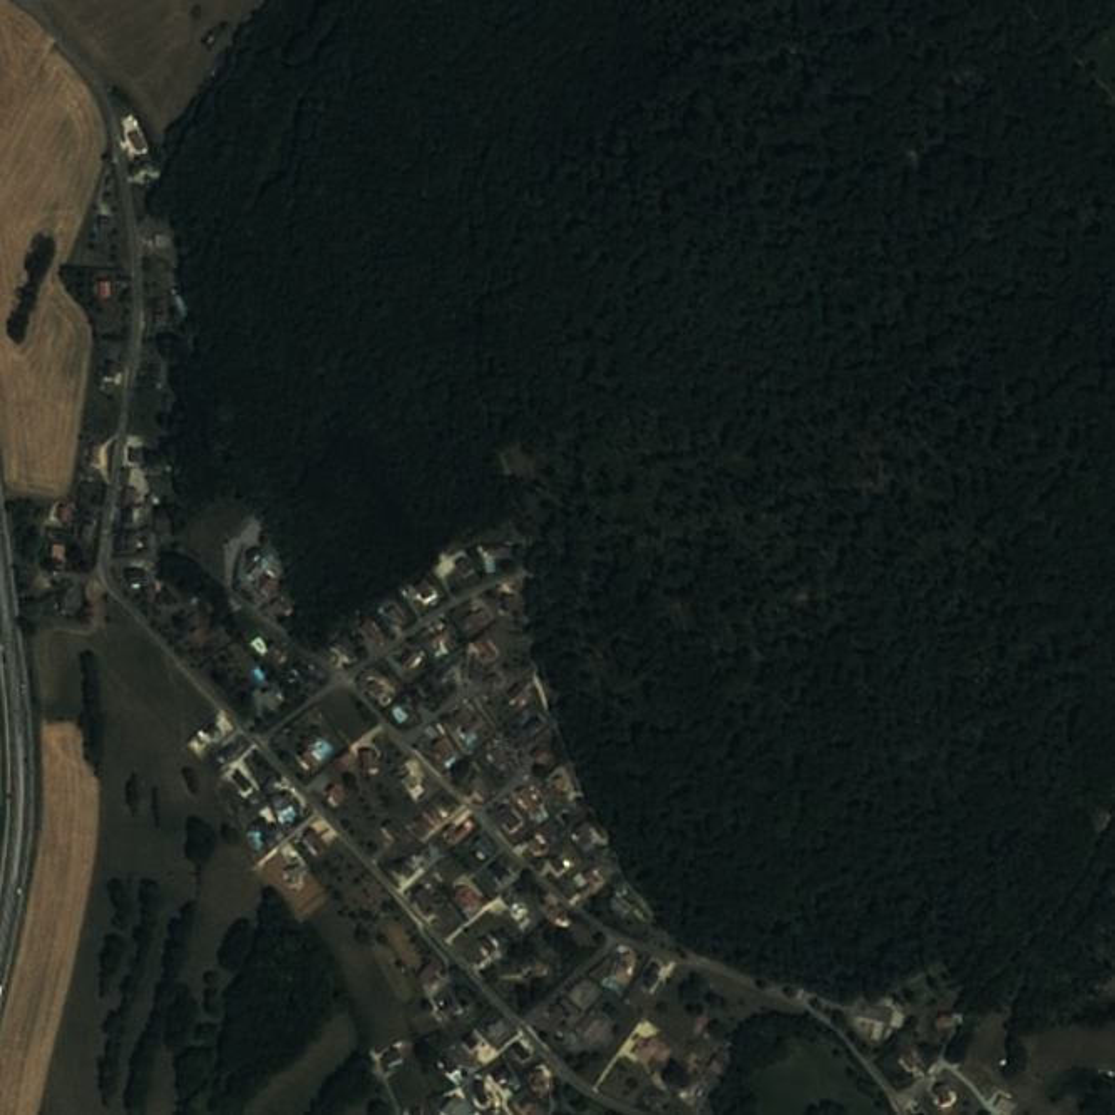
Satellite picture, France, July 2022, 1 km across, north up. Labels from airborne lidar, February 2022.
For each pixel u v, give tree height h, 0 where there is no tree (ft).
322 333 60
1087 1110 37
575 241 66
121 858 0
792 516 72
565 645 54
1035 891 41
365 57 72
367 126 68
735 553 51
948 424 89
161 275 0
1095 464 68
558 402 50
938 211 92
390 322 41
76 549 34
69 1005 0
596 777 61
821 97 83
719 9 39
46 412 0
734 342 37
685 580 63
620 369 48
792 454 79
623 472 0
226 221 59
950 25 83
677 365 45
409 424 48
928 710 50
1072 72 82
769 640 70
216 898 0
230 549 0
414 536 34
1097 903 33
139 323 0
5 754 0
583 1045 0
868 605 54
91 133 0
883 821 60
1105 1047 0
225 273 73
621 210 66
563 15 67
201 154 42
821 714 69
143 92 0
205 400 57
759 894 59
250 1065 70
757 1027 58
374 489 34
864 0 80
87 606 31
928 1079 0
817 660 73
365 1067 54
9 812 0
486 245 62
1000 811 60
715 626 57
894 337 78
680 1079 53
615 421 52
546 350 61
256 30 41
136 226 0
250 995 76
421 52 59
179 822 0
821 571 50
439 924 0
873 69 95
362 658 30
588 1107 22
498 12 51
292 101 51
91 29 0
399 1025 0
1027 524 85
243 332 61
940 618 65
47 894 0
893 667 49
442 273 38
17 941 0
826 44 87
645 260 55
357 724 0
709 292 53
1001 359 87
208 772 0
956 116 69
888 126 65
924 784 58
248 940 50
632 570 51
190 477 59
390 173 68
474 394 59
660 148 86
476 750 0
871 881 29
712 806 54
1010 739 79
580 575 63
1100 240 85
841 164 79
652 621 64
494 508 58
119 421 0
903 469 77
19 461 0
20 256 0
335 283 46
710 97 78
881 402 80
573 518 69
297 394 50
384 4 61
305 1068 0
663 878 63
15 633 0
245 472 47
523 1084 0
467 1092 0
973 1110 0
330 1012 58
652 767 62
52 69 0
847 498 72
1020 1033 45
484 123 48
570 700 58
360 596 43
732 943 79
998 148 55
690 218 51
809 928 66
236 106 58
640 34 60
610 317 61
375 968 0
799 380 55
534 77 41
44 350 0
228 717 0
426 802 0
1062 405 78
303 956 64
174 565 53
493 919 0
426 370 34
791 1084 0
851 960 72
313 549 39
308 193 64
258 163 53
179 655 25
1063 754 67
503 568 23
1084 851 54
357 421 50
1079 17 52
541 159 60
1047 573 47
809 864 64
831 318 62
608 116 48
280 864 0
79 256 0
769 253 54
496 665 0
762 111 37
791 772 55
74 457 0
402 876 0
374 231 53
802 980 78
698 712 56
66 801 0
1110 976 65
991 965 52
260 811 0
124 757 0
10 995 0
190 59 0
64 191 0
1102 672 62
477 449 55
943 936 54
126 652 0
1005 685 73
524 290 65
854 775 52
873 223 80
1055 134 70
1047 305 86
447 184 50
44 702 0
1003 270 65
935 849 56
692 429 52
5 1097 0
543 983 31
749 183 57
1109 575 26
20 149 0
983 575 96
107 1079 44
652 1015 0
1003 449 67
